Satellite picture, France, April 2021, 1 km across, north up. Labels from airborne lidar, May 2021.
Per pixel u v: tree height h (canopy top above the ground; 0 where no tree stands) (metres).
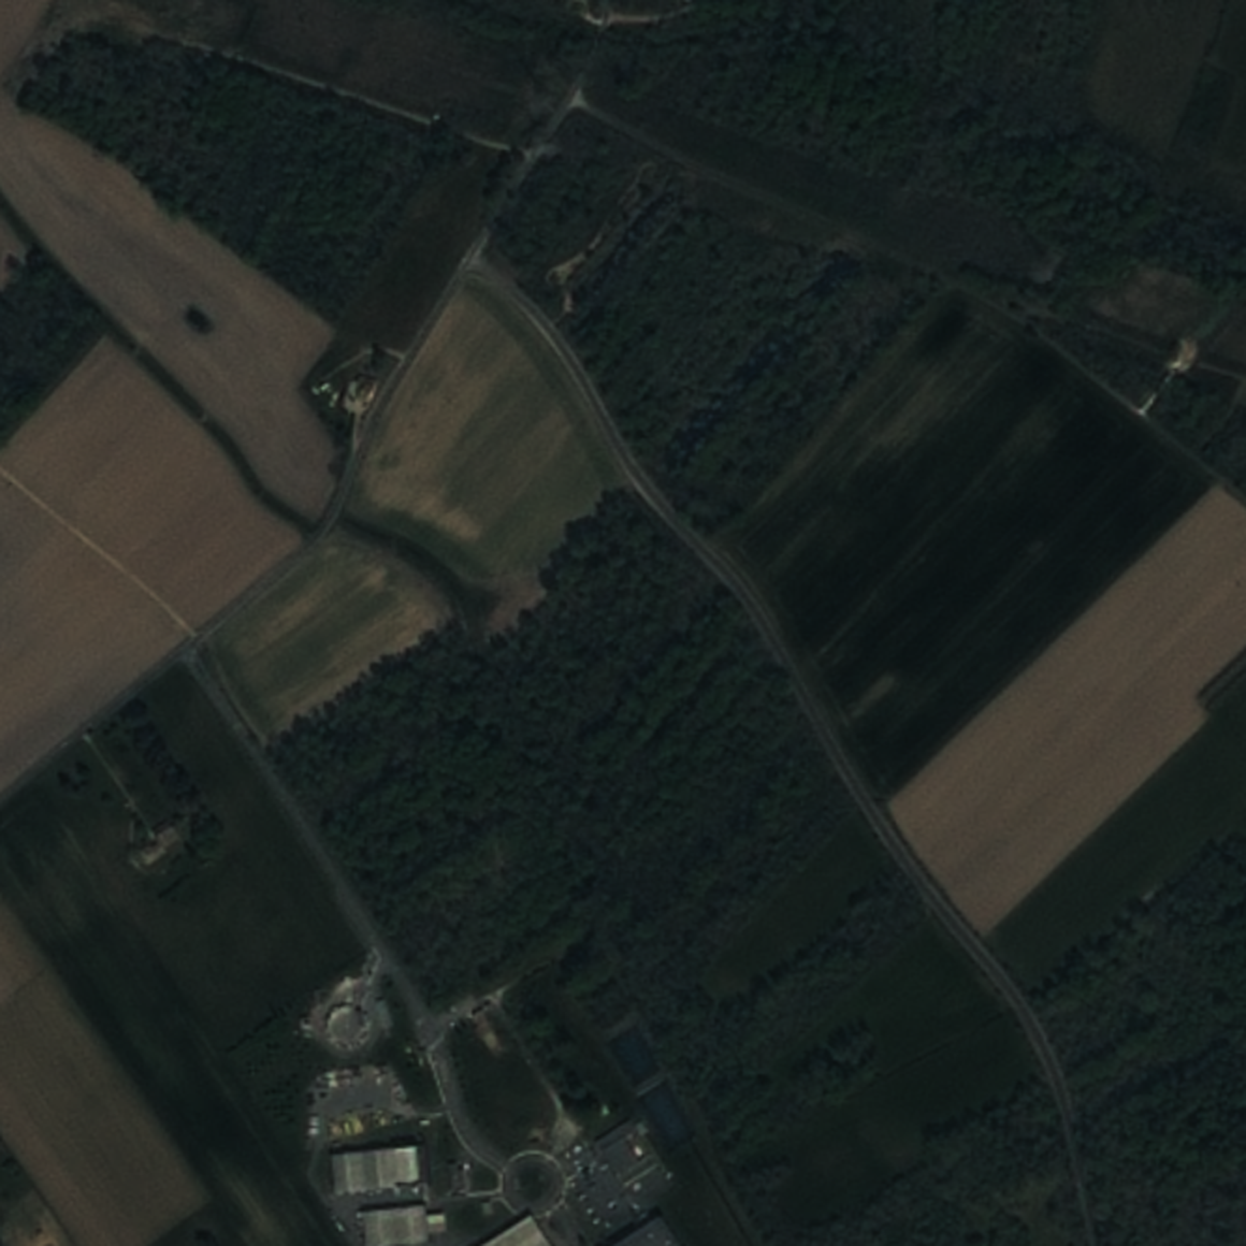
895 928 16
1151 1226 14
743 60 12
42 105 10
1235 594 0
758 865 14
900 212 5
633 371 10
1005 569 0
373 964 0
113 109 14
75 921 0
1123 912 0
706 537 13
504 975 10
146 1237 0
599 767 17
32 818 0
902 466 0
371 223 20
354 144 16
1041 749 0
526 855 16
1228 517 0
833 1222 7
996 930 0
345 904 0
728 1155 16
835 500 0
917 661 0
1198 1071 19
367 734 19
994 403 0
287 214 17
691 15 7
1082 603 0
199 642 0
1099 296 10
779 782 19
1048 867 0
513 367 0
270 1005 0
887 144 12
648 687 20
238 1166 0
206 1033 0
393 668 11
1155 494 0
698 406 9
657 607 15
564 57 12
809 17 19
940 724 0
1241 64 0
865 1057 16
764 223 0
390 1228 0
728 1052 24
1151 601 0
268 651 0
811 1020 11
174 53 11
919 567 0
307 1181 0
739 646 11
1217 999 7
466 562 0
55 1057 0
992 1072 0
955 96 10
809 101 14
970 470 0
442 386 0
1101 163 13
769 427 13
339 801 14
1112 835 0
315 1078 0
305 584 0
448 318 0
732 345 7
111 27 0
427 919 9
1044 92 14
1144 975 7
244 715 0
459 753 17
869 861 0
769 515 0
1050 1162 15
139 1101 0
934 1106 0
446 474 0
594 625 13
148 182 12
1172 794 0
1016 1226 13
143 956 0
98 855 0
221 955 0
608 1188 0
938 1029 0
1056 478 0
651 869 16
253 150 17
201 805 11
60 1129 0
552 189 15
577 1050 10
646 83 16
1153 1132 20
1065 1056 10
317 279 23
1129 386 14
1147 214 27
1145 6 0
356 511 0
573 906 17
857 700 0
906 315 7
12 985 0
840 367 9
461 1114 0
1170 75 0
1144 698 0
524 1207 0
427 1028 0
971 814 0
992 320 0
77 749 0
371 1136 0
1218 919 21
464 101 0
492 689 19
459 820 18
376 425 0
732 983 0
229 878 0
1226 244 19
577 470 0
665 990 20
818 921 0
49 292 16
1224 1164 21
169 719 0
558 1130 0
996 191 16
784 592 0
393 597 0
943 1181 10
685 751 17
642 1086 0
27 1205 0
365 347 0
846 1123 0
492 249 7
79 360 12
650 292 9
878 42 21
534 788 19
